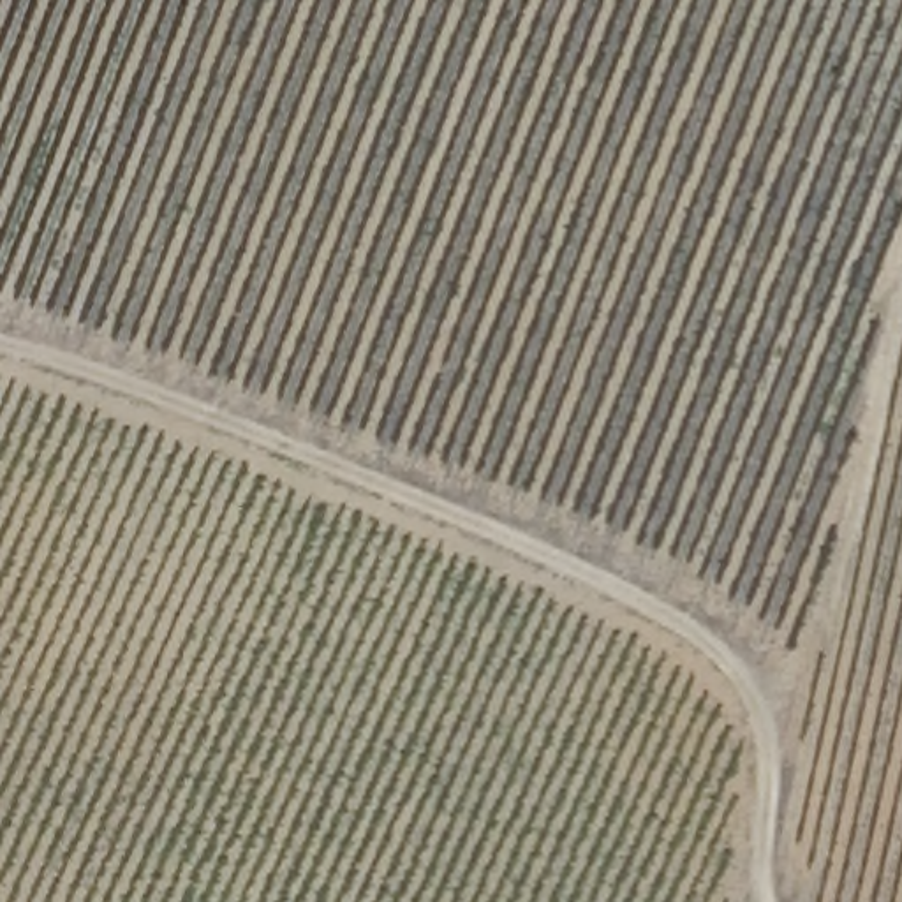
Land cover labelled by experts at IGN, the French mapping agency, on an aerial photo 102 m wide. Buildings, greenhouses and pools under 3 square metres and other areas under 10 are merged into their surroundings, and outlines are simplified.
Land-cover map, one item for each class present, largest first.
<instances>
[{"label":"vineyard","instance_id":"1","mask_svg":"<svg viewBox=\"0 0 902 902\"><path fill-rule=\"evenodd\" d=\"M0 335L56 345L63 352L120 366L162 388L211 402L233 416H247L261 426L292 433L296 440H310L321 451H331L359 469H373L430 497L462 504L483 518L529 532L585 564H595L613 578H624L634 588L659 595L673 610L694 617L701 627L719 634L754 669L761 694L779 712V807L772 842L775 902H902V0H0ZM148 426L106 419L99 416V409L74 405L63 395L56 398L25 388L21 395H14V377L7 391H0V902H758L750 877L758 750L750 740V715L736 680H729L712 655L680 638L673 627L567 574L550 592L536 585L529 599H521V588L507 578L490 585L486 564L433 550L409 532L402 536V543H391L395 525H381L373 514L352 511L345 504H303L296 500V490L289 483L250 472L247 462H215L218 451H190L180 440L173 447H162L166 433L144 444Z\"/></svg>","mask_w":902,"mask_h":902},{"label":"pervious surface","instance_id":"2","mask_svg":"<svg viewBox=\"0 0 902 902\"><path fill-rule=\"evenodd\" d=\"M14 377V395H21L25 388L56 398L63 395L74 405L99 409V416L106 419L148 426L144 444L166 433L162 447H173L180 440L190 451H218L215 462H247L250 472L289 483L296 490V500L303 504H345L352 511L373 514L381 525H395L391 543H402V536L409 532L433 550L486 564L490 585L507 578L521 588V599H529L536 585L550 592L567 574L673 627L680 638L712 655L729 680H736L750 715V740L758 750L750 877L758 902H775L772 842L779 807V712L761 694L754 669L719 634L701 627L694 617L673 610L659 595L634 588L624 578H613L595 564H585L529 532L483 518L462 504L430 497L373 469H359L331 451H321L310 440H296L292 433L261 426L247 416H233L211 402L162 388L120 366L63 352L56 345L0 335V391H7Z\"/></svg>","mask_w":902,"mask_h":902}]
</instances>
